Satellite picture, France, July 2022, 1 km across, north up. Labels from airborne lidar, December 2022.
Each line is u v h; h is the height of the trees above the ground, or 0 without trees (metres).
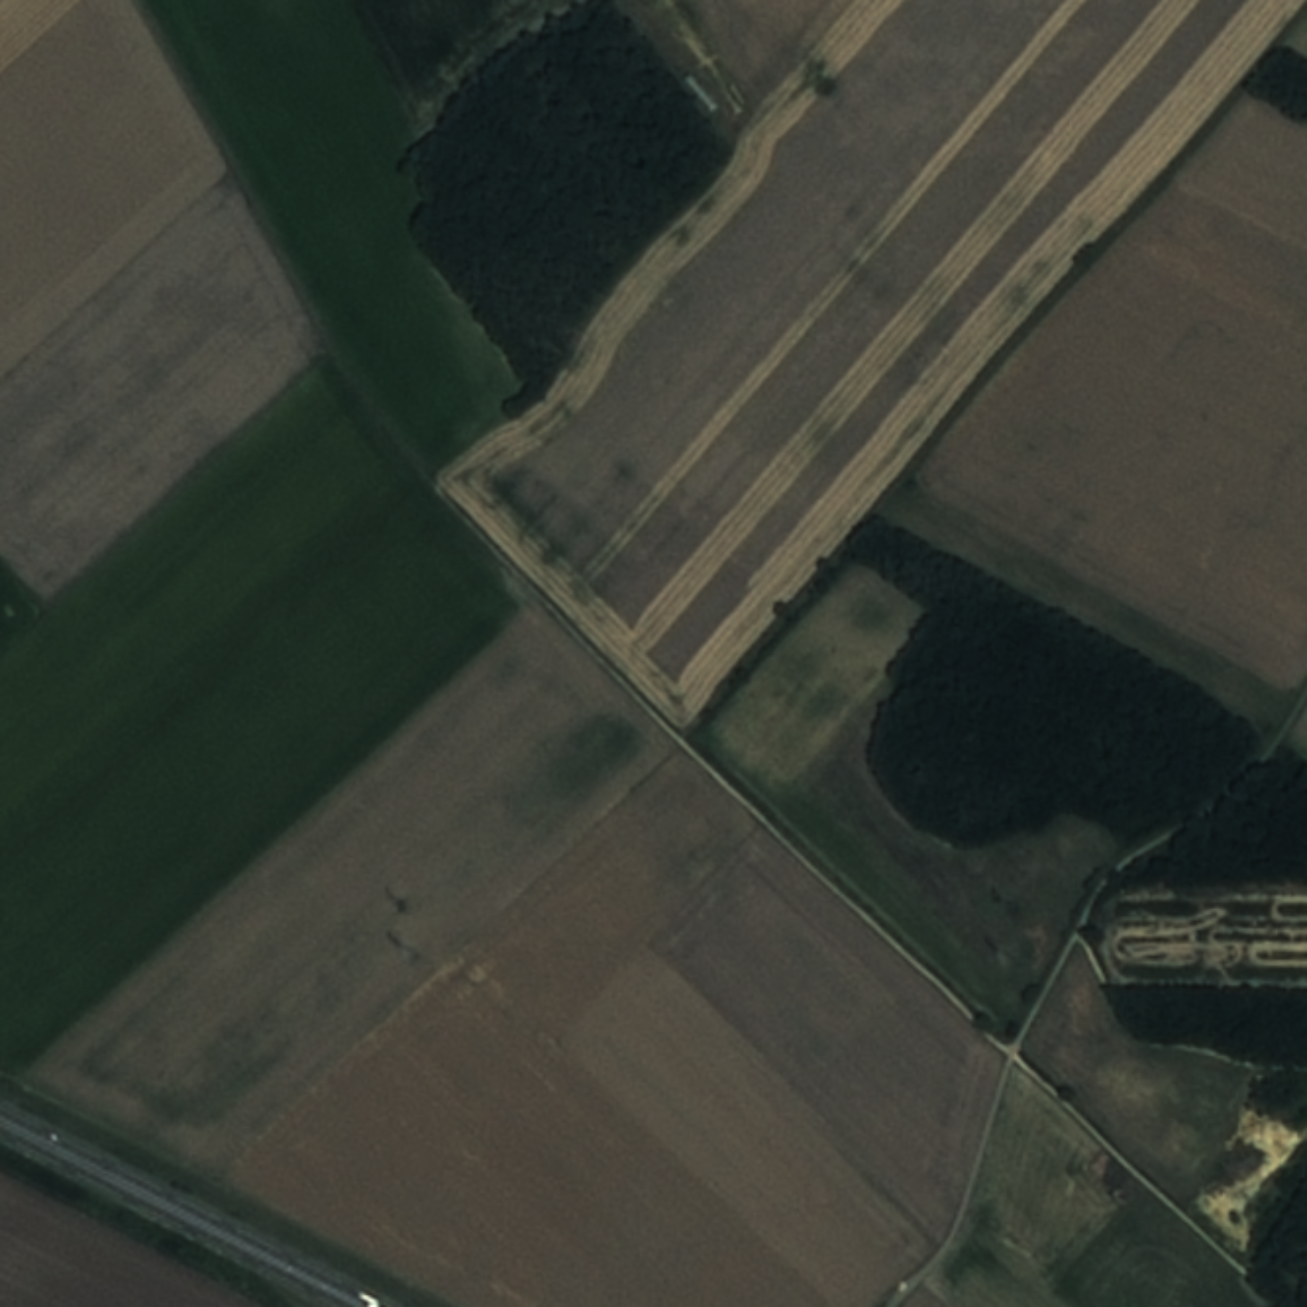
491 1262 0
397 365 0
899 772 17
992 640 21
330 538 0
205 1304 0
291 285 0
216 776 0
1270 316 0
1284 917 0
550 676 0
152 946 0
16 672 0
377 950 0
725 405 0
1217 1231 0
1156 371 0
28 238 0
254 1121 0
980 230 0
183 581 0
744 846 0
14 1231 0
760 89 0
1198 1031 12
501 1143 0
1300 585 0
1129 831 8
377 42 0
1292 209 0
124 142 0
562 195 27
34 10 0
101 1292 0
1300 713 0
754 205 0
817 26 0
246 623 0
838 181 0
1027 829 10
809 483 0
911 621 0
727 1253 0
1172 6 0
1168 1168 0
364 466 0
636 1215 0
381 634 0
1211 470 0
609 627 0
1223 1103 0
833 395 0
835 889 0
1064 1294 0
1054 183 0
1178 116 0
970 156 0
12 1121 0
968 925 0
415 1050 0
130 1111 0
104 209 0
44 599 0
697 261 0
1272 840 17
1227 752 23
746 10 0
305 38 0
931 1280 0
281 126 0
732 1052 0
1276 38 0
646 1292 0
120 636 0
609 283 17
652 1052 0
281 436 0
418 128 0
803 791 0
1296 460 0
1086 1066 0
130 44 0
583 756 0
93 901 0
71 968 0
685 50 0
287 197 0
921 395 0
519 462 0
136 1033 0
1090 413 0
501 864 0
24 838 0
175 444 0
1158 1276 0
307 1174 0
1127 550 0
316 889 0
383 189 0
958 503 0
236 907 0
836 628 0
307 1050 0
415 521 0
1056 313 0
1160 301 0
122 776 0
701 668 0
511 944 0
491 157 26
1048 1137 0
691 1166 0
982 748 22
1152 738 23
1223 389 0
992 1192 0
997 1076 0
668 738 0
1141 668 18
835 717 0
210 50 0
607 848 0
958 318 0
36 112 0
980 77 0
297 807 0
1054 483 0
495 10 0
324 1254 0
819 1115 0
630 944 0
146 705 0
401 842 0
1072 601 0
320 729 0
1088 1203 0
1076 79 0
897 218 0
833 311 0
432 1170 0
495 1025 0
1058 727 23
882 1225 0
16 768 0
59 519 0
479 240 26
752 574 0
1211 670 0
